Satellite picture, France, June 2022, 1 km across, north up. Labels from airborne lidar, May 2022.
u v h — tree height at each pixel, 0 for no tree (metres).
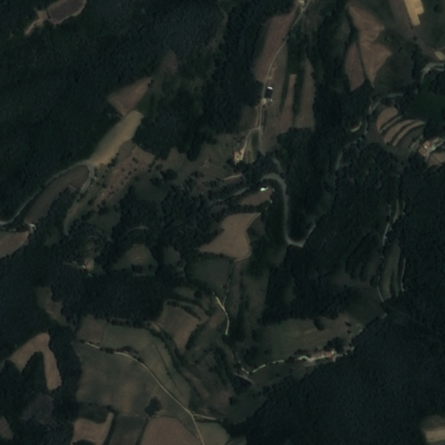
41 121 21
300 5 0
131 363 0
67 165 18
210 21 15
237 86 6
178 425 0
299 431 15
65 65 13
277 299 22
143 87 0
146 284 21
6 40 14
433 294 25
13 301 18
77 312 16
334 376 15
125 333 0
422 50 7
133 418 0
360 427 18
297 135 19
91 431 0
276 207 16
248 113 0
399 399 18
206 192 0
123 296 18
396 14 0
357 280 0
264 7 22
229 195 19
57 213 18
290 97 0
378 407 21
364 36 0
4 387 5
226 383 8
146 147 15
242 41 25
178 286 13
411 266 19
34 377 9
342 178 11
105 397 0
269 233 15
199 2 22
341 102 20
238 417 0
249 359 15
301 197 15
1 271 16
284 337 0
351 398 20
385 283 0
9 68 18
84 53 13
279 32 0
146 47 16
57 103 21
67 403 8
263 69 0
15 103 12
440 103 0
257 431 16
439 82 15
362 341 16
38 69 11
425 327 7
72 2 0
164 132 22
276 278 22
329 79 17
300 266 22
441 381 19
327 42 19
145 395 0
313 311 14
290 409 17
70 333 13
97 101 19
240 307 9
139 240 17
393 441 22
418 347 22
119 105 0
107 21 14
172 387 0
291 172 15
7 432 0
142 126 10
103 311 21
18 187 13
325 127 20
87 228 19
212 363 0
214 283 0
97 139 14
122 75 20
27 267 19
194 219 21
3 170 15
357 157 14
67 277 19
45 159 16
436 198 19
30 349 0
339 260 18
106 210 17
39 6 18
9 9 17
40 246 18
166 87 12
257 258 8
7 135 23
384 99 10
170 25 17
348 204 14
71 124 15
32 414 0
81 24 14
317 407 22
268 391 16
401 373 20
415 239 21
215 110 17
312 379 18
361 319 0
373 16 0
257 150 0
